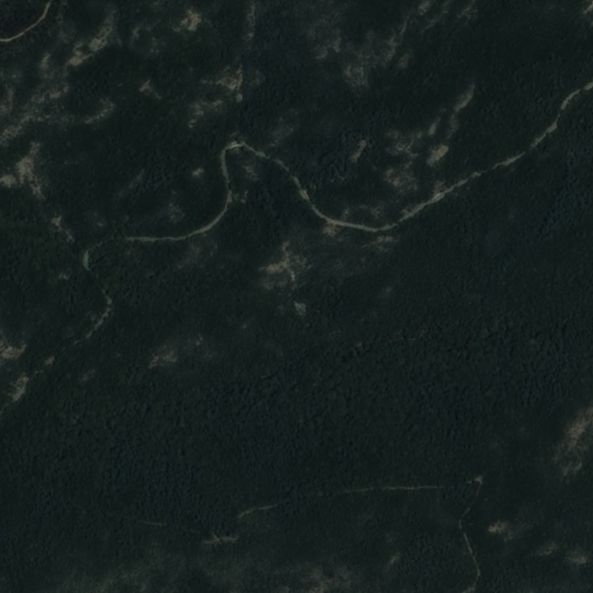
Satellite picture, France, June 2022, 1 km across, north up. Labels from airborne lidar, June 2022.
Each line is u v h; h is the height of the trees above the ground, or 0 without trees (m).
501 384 11
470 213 11
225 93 6
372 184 12
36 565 10
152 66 10
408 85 6
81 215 6
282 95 9
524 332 12
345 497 6
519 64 8
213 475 12
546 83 6
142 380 12
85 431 18
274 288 6
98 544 6
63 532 10
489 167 13
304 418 11
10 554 11
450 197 7
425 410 14
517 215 7
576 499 7
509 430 6
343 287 9
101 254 13
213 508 12
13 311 7
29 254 15
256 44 5
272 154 10
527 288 10
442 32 11
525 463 7
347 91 6
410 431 10
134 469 17
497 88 12
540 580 12
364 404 15
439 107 6
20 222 17
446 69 9
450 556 5
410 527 6
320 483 8
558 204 14
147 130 8
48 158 8
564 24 7
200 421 17
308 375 19
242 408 11
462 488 13
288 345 10
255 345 7
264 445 16
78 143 5
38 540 10
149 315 5
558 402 15
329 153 14
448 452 10
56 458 14
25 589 9
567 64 7
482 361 16
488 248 6
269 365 13
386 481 10
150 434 17
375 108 6
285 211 13
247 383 12
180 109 11
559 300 7
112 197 7
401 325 13
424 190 10
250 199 8
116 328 15
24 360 11
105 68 6
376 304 8
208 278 11
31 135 5
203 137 14
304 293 10
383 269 7
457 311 9
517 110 7
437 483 6
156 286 12
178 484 19
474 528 6
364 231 7
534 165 7
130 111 7
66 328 6
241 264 7
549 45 9
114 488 14
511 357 14
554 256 8
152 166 10
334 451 11
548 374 10
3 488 9
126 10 7
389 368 21
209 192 7
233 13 10
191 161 8
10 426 10
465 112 10
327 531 8
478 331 15
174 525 13
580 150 16
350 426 15
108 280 16
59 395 14
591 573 7
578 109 12
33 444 15
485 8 12
